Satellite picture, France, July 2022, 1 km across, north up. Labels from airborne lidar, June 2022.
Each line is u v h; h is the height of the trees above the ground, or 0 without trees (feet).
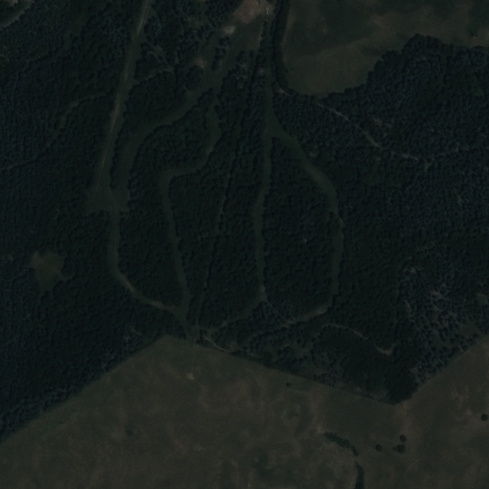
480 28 0
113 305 53
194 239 69
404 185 33
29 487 0
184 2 94
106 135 43
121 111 0
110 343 50
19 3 34
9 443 0
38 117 54
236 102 81
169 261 47
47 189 47
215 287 35
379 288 46
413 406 0
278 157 71
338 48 0
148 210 41
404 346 61
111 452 0
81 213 46
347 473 0
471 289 40
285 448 0
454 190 61
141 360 0
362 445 0
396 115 61
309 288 62
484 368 0
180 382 0
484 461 0
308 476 0
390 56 68
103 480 0
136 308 62
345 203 56
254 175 70
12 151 78
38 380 56
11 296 50
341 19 0
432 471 0
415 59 70
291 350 32
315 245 58
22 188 53
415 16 0
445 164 67
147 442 0
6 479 0
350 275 58
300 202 57
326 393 0
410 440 0
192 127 69
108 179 0
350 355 27
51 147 21
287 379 0
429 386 0
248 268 68
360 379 38
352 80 0
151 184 33
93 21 53
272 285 53
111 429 0
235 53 0
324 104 34
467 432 0
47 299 55
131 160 0
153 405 0
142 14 0
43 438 0
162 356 0
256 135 21
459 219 50
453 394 0
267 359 30
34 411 63
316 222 51
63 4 35
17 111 81
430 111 70
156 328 30
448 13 0
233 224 41
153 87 53
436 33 0
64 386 45
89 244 34
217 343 38
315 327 32
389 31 0
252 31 0
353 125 39
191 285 34
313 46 0
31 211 39
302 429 0
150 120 61
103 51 44
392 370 52
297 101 69
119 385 0
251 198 57
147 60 66
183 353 0
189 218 35
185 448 0
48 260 0
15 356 52
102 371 67
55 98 65
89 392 0
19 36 68
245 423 0
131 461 0
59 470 0
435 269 51
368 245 61
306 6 0
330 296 55
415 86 93
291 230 60
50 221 57
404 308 43
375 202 63
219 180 57
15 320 43
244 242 58
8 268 57
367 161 70
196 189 36
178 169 28
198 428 0
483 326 40
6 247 49
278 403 0
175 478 0
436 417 0
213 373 0
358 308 50
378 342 32
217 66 69
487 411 0
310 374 0
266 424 0
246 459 0
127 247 51
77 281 48
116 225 0
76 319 31
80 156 32
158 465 0
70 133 58
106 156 0
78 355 52
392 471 0
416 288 51
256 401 0
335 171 70
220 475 0
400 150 63
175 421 0
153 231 46
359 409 0
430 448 0
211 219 58
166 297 43
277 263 38
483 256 51
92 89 57
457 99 85
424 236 57
